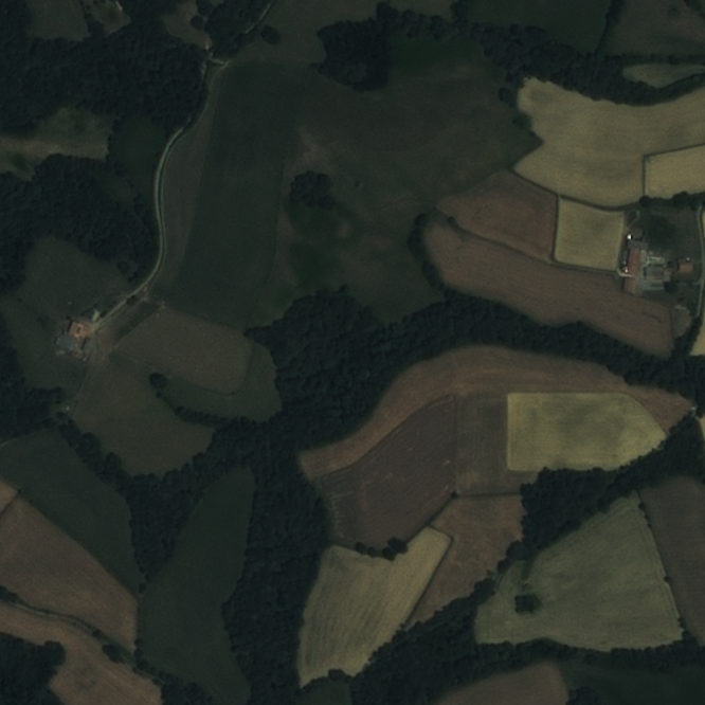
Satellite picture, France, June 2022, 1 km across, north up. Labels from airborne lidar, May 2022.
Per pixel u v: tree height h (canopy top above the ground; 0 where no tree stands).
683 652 26
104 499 0
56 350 0
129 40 12
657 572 0
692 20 0
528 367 0
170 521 28
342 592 0
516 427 0
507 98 15
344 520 0
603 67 23
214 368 0
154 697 0
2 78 17
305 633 0
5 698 31
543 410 0
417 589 0
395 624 0
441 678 24
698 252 0
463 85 0
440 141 0
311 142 0
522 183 0
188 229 0
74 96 22
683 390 15
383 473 0
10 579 0
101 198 18
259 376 0
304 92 0
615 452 0
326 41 15
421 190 0
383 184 0
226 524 0
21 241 29
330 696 0
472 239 0
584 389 0
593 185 0
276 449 27
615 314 0
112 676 0
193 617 0
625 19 0
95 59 20
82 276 0
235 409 0
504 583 0
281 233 0
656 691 0
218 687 0
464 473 0
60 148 0
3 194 15
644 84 14
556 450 0
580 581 0
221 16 19
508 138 0
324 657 0
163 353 0
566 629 0
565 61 26
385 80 16
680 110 0
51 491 0
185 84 20
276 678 22
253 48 0
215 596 0
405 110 0
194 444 0
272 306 0
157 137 0
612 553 0
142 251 19
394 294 0
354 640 0
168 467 0
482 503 0
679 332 0
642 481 19
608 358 21
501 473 0
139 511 19
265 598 27
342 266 0
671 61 15
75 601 0
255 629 22
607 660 7
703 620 0
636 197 0
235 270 0
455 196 0
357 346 21
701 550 0
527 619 0
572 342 19
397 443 0
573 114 0
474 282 0
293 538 24
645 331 0
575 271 0
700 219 0
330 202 17
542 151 0
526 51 25
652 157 0
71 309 0
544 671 0
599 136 0
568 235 0
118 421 0
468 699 0
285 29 0
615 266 0
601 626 0
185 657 0
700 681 0
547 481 16
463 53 0
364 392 26
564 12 0
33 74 20
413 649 16
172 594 0
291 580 22
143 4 18
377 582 0
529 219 0
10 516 0
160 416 0
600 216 0
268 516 20
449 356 0
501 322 24
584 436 0
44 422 12
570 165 0
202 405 0
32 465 0
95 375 0
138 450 0
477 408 0
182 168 0
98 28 15
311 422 21
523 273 0
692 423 18
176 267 0
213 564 0
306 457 0
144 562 17
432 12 0
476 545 0
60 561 0
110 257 14
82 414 0
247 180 0
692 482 0
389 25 24
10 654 25
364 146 0
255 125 0
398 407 0
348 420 25
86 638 0
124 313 0
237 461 16
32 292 0
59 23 0
